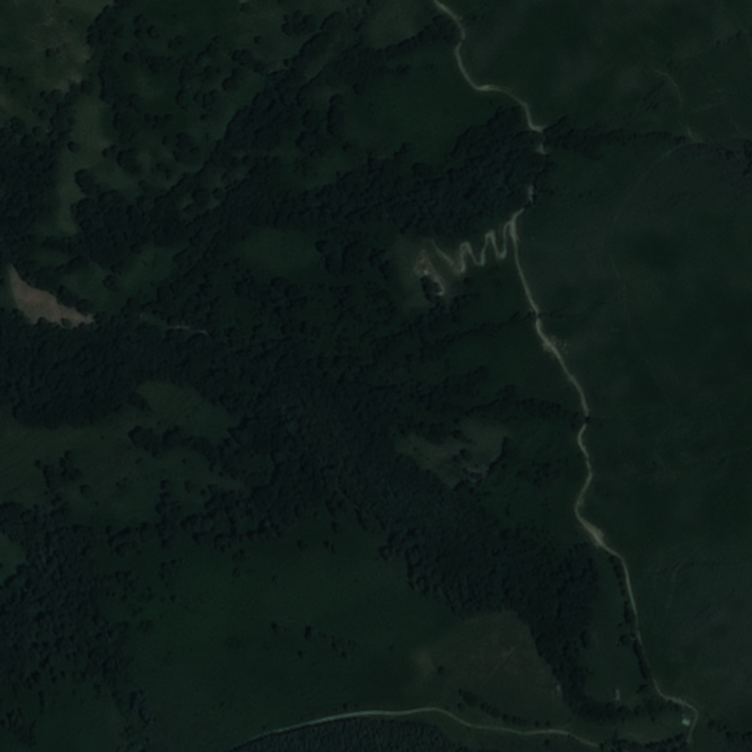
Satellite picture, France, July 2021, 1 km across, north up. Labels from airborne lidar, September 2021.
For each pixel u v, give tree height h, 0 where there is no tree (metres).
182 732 0
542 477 9
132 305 20
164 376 16
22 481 0
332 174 0
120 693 14
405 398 19
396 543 21
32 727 7
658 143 0
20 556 0
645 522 0
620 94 0
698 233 0
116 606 0
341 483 22
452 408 15
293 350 18
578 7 0
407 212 20
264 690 0
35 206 17
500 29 0
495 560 25
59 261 0
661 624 0
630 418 0
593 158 9
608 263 0
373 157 12
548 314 6
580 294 0
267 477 8
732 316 0
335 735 17
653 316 0
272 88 7
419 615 0
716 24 0
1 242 17
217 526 12
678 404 0
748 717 0
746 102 0
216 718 0
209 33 0
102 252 18
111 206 23
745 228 0
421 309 0
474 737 0
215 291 17
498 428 0
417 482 27
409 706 0
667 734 0
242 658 0
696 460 0
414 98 0
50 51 15
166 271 0
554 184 0
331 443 21
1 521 19
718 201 0
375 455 26
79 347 20
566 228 0
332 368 8
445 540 23
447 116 0
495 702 0
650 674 12
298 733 15
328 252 25
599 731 0
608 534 0
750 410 0
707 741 0
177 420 0
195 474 0
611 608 0
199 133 0
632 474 0
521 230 0
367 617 0
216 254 20
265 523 21
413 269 0
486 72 0
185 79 18
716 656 0
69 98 17
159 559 0
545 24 0
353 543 0
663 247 0
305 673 0
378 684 0
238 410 13
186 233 15
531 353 0
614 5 0
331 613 0
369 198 12
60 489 13
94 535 22
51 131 7
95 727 0
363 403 25
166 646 0
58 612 23
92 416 19
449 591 13
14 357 27
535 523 7
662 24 0
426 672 0
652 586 0
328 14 0
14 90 9
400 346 20
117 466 0
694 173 0
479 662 0
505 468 10
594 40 0
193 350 22
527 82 0
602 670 0
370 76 12
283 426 17
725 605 0
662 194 0
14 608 24
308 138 21
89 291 0
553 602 25
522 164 29
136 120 7
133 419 0
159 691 0
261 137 17
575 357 0
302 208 20
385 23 0
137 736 7
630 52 0
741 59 0
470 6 0
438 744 13
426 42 15
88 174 15
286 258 0
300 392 28
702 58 0
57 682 13
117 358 21
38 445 0
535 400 14
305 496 14
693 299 0
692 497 0
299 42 0
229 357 25
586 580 16
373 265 8
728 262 0
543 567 19
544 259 0
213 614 0
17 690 8
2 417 0
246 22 0
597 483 0
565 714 0
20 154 21
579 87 0
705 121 0
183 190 14
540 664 0
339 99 17
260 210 22
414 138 0
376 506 19
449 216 12
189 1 0
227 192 11
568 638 21
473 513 20
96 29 19
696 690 0
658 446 0
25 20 0
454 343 9
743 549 0
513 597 24
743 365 0
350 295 21
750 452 0
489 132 13
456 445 0
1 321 20
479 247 0
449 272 0
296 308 18
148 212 23
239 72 15
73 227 0
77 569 24
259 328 9
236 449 21
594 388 0
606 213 0
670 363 0
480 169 26
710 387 0
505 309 0
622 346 0
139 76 0
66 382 22
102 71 13
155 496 0
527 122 0
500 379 0
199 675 0
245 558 6
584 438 0
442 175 10
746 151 7
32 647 12
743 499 0
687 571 0
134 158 9
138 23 14
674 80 0
